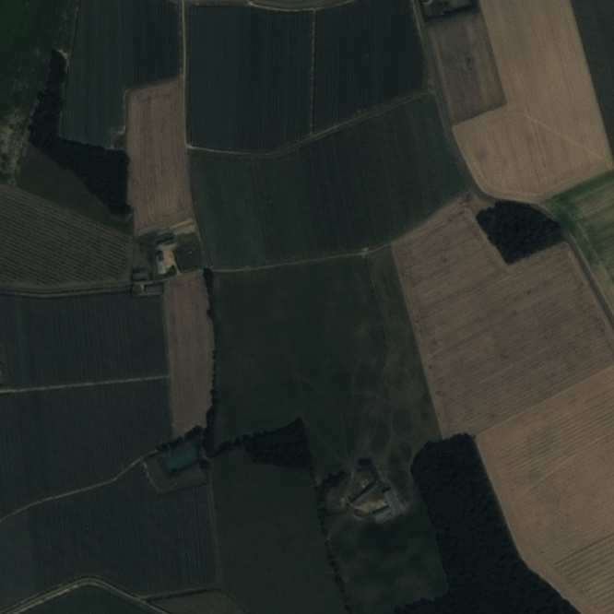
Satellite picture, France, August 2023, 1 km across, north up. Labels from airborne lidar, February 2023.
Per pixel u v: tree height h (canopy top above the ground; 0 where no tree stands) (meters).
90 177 17
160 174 0
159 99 0
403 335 0
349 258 0
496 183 0
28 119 0
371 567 0
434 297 0
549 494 0
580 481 0
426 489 9
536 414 0
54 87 12
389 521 0
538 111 0
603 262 0
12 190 0
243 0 0
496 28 0
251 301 0
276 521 0
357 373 0
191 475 0
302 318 0
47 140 16
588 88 0
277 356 0
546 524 0
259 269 0
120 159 15
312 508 0
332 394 0
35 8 0
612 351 0
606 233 0
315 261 0
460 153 0
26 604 0
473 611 17
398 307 0
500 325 0
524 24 0
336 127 0
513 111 0
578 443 0
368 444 0
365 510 0
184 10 0
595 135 0
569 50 0
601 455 0
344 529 0
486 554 16
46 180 0
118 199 15
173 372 0
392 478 0
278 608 0
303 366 0
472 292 0
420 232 0
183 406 0
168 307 0
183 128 0
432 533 0
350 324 0
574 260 0
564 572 0
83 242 0
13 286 0
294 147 0
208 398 0
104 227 0
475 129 0
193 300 0
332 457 0
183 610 0
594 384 0
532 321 0
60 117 9
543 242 22
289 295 0
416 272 0
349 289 0
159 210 0
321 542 0
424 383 0
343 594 9
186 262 0
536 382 0
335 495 0
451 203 0
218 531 0
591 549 0
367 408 0
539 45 0
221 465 0
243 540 0
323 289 0
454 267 0
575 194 0
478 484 18
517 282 0
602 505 0
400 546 0
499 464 0
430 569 0
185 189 0
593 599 0
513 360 0
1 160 0
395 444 0
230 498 0
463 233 0
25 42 0
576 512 0
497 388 0
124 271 0
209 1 0
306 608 0
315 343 0
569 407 0
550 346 0
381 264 0
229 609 0
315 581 0
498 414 0
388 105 0
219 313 0
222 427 0
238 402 0
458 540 18
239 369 0
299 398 0
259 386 0
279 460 8
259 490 0
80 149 16
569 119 0
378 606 0
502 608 20
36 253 0
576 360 0
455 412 0
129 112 0
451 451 12
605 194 0
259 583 0
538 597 19
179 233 0
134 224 0
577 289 0
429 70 0
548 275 0
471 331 0
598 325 0
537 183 0
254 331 0
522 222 11
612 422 0
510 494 0
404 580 0
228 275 0
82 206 0
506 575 18
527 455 0
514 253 21
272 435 8
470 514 17
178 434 0
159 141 0
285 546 0
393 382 0
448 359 0
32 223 0
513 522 0
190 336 0
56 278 0
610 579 0
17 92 0
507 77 0
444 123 0
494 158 0
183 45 0
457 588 15
